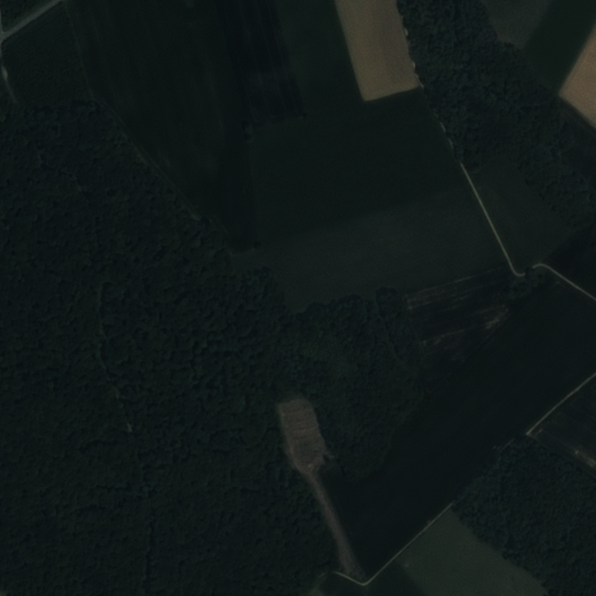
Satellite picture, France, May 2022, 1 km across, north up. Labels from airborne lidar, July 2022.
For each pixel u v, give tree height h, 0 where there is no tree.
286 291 0
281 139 0
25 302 28
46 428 30
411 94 0
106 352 26
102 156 29
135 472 26
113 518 30
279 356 29
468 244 0
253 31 0
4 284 29
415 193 0
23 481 28
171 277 27
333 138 0
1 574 24
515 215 0
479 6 20
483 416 0
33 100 7
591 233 0
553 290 0
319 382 23
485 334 0
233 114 0
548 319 0
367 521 0
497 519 19
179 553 29
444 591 0
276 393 29
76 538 30
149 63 0
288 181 0
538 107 22
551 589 12
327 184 0
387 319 14
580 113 0
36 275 26
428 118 0
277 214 0
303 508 28
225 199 0
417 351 22
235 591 30
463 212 0
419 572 0
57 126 24
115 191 30
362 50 0
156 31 0
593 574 25
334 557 29
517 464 20
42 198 30
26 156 27
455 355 0
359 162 0
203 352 31
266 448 28
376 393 26
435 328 0
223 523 29
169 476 28
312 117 0
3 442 27
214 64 0
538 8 0
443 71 20
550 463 21
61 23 7
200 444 30
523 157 25
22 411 28
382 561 0
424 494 0
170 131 0
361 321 23
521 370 0
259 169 0
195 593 31
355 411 26
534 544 25
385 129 0
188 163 0
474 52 22
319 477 0
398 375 19
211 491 31
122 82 0
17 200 31
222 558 31
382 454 21
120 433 25
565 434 0
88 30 0
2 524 31
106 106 0
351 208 0
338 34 0
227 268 26
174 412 32
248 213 0
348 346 22
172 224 30
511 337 0
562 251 0
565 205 26
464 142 28
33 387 30
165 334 29
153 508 25
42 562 23
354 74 0
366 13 0
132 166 28
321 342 23
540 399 0
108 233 25
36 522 27
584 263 0
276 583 29
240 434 29
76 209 29
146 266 28
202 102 0
